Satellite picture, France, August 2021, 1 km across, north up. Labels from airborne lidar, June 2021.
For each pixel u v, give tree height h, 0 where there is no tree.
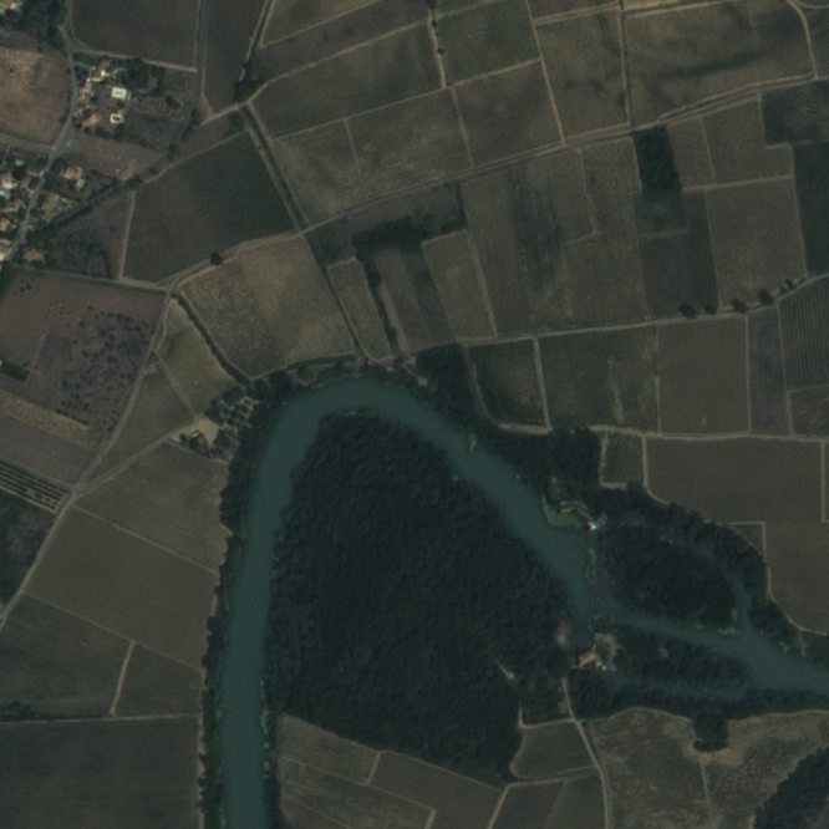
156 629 0
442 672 23
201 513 0
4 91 0
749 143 0
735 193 0
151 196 0
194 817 0
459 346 8
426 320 0
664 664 12
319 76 0
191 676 0
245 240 0
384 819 0
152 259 0
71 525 0
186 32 0
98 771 0
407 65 0
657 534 16
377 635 11
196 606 0
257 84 9
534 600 16
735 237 0
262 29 0
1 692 0
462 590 21
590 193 0
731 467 0
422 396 16
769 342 0
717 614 21
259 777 0
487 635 6
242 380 8
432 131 0
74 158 0
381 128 0
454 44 0
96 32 0
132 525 0
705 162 0
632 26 0
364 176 0
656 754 0
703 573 23
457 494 19
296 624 22
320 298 0
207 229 0
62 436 0
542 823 0
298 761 0
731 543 27
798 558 0
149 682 0
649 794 0
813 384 0
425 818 0
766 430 0
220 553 0
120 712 0
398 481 17
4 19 8
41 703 0
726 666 17
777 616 13
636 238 0
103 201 7
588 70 0
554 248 0
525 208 0
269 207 0
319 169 0
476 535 24
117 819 0
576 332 0
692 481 0
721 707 9
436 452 20
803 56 0
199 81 0
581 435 15
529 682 15
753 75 0
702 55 0
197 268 0
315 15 0
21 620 0
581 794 0
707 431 0
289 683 25
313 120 0
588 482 10
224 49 0
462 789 0
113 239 0
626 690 12
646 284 0
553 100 0
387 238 5
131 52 0
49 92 0
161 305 0
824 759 12
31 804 0
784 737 0
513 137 0
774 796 7
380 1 0
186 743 0
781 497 0
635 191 0
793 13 0
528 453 20
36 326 0
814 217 0
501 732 9
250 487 10
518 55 0
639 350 0
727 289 0
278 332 0
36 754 0
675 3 0
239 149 0
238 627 0
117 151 0
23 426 0
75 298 0
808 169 0
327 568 17
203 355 0
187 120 0
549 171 0
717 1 0
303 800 0
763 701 19
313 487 12
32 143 0
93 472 0
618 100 0
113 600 0
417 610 10
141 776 0
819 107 0
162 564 0
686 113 0
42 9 22
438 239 0
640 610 7
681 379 0
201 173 0
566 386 0
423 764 0
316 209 0
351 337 0
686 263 0
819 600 0
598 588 0
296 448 0
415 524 10
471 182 0
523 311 0
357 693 8
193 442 8
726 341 0
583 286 0
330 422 15
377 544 15
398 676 21
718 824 0
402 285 0
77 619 0
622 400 0
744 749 0
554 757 0
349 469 13
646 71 0
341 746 0
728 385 0
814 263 0
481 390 0
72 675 0
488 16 0
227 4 0
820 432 0
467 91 0
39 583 0
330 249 0
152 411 0
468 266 0
